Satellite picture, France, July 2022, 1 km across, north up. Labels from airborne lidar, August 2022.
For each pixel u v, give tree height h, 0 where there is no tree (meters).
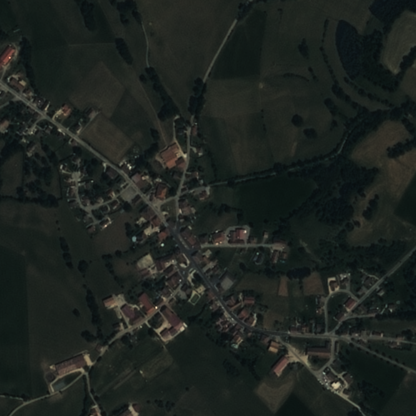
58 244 0
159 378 0
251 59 0
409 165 0
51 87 0
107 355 0
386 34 6
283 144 0
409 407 0
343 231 11
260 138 0
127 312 0
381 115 20
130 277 0
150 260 0
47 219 0
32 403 0
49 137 0
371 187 0
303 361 0
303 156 0
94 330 0
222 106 0
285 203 0
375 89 0
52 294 0
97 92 0
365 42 9
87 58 0
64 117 0
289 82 0
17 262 0
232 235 0
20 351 0
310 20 0
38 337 0
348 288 0
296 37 0
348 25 26
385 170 0
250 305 6
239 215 12
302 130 0
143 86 0
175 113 7
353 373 0
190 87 0
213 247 0
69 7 0
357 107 18
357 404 0
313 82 0
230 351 7
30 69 19
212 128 0
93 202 7
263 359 0
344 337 0
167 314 0
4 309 0
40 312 0
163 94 16
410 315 18
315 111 0
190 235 0
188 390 7
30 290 0
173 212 0
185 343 0
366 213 16
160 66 0
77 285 0
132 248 12
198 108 19
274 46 0
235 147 0
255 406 0
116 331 6
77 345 0
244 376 0
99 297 0
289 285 0
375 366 0
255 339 6
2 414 0
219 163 0
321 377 0
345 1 0
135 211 0
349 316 0
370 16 0
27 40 15
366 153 0
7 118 11
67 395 0
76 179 0
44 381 0
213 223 0
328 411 0
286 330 0
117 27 0
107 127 0
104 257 9
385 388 0
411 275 18
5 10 0
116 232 0
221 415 0
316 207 14
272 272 22
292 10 0
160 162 0
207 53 0
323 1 0
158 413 0
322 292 0
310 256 0
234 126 0
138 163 23
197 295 0
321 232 0
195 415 0
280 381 0
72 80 0
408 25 0
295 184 0
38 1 0
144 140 0
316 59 0
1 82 0
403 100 0
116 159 0
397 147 15
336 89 18
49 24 0
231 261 0
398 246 6
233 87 0
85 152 0
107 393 0
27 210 0
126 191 0
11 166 0
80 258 0
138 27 0
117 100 0
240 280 0
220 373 0
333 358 0
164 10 0
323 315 0
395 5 18
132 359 0
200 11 0
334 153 7
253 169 0
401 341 0
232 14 0
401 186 0
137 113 0
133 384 0
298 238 0
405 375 0
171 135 0
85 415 12
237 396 0
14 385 0
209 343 0
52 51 0
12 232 0
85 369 12
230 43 0
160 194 0
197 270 0
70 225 0
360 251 8
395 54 0
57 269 0
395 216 0
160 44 0
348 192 21
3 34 15
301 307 0
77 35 0
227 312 0
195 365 0
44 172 18
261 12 0
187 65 0
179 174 7
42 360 0
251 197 0
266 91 0
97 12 0
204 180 6
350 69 21
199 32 0
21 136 13
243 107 0
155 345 0
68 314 0
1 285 0
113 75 0
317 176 18
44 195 22
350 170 19
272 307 0
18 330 0
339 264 21
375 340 0
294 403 0
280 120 0
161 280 6
